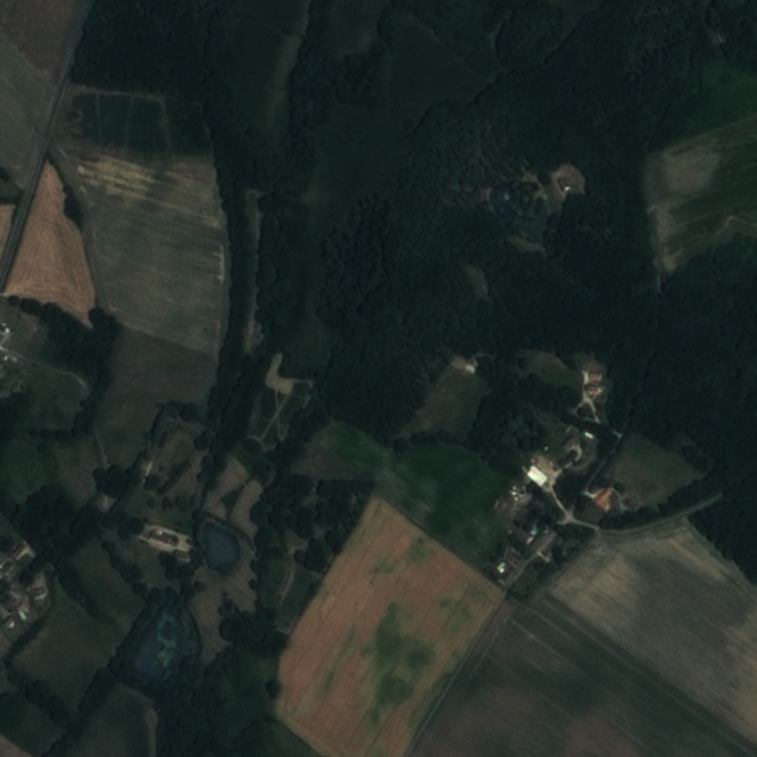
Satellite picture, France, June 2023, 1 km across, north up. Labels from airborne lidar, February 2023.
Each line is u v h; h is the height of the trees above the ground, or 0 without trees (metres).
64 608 0
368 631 0
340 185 0
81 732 16
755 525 27
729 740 0
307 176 7
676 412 24
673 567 0
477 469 0
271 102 0
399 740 0
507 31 19
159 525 0
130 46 24
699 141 0
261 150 10
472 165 19
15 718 0
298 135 20
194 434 11
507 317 21
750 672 0
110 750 0
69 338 10
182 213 0
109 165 0
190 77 23
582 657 0
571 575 0
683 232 0
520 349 22
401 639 0
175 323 0
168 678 15
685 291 24
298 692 0
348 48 0
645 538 0
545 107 22
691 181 0
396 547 0
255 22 0
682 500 17
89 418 17
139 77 20
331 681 0
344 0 0
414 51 0
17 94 0
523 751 0
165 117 0
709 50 18
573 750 0
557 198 0
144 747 0
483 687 0
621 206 20
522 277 21
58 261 0
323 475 0
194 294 0
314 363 0
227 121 25
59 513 19
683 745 0
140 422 0
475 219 19
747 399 29
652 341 25
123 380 0
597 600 0
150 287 0
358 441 0
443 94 0
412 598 0
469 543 0
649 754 0
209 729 12
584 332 23
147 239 0
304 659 0
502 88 18
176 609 11
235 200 24
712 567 0
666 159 0
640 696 0
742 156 0
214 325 0
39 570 17
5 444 14
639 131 15
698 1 22
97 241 0
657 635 0
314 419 16
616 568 0
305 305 0
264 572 19
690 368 21
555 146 22
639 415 23
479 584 0
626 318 25
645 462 0
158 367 0
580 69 25
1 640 0
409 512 0
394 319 16
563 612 0
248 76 0
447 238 17
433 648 0
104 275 0
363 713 0
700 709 0
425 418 0
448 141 13
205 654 0
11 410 17
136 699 0
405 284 19
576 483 6
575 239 19
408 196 16
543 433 22
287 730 0
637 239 20
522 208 14
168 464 0
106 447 0
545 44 18
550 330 21
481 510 0
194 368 0
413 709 0
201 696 20
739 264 5
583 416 14
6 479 0
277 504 23
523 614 0
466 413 0
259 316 13
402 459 0
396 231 21
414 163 15
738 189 0
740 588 0
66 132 0
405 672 0
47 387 0
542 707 0
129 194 0
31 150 0
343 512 19
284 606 0
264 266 16
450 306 18
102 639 0
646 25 14
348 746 0
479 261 15
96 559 0
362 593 0
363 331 18
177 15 19
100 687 20
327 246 15
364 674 0
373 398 21
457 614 0
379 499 0
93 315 14
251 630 10
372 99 32
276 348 17
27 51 0
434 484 0
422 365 15
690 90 15
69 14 0
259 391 19
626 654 0
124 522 20
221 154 12
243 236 23
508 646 0
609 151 24
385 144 0
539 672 0
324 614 0
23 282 0
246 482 0
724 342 27
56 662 0
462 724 0
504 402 8
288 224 16
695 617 0
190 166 0
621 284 24
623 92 23
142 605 0
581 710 0
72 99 0
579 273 19
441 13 9
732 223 0
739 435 27
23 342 0
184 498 7
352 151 0
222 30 22
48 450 10
